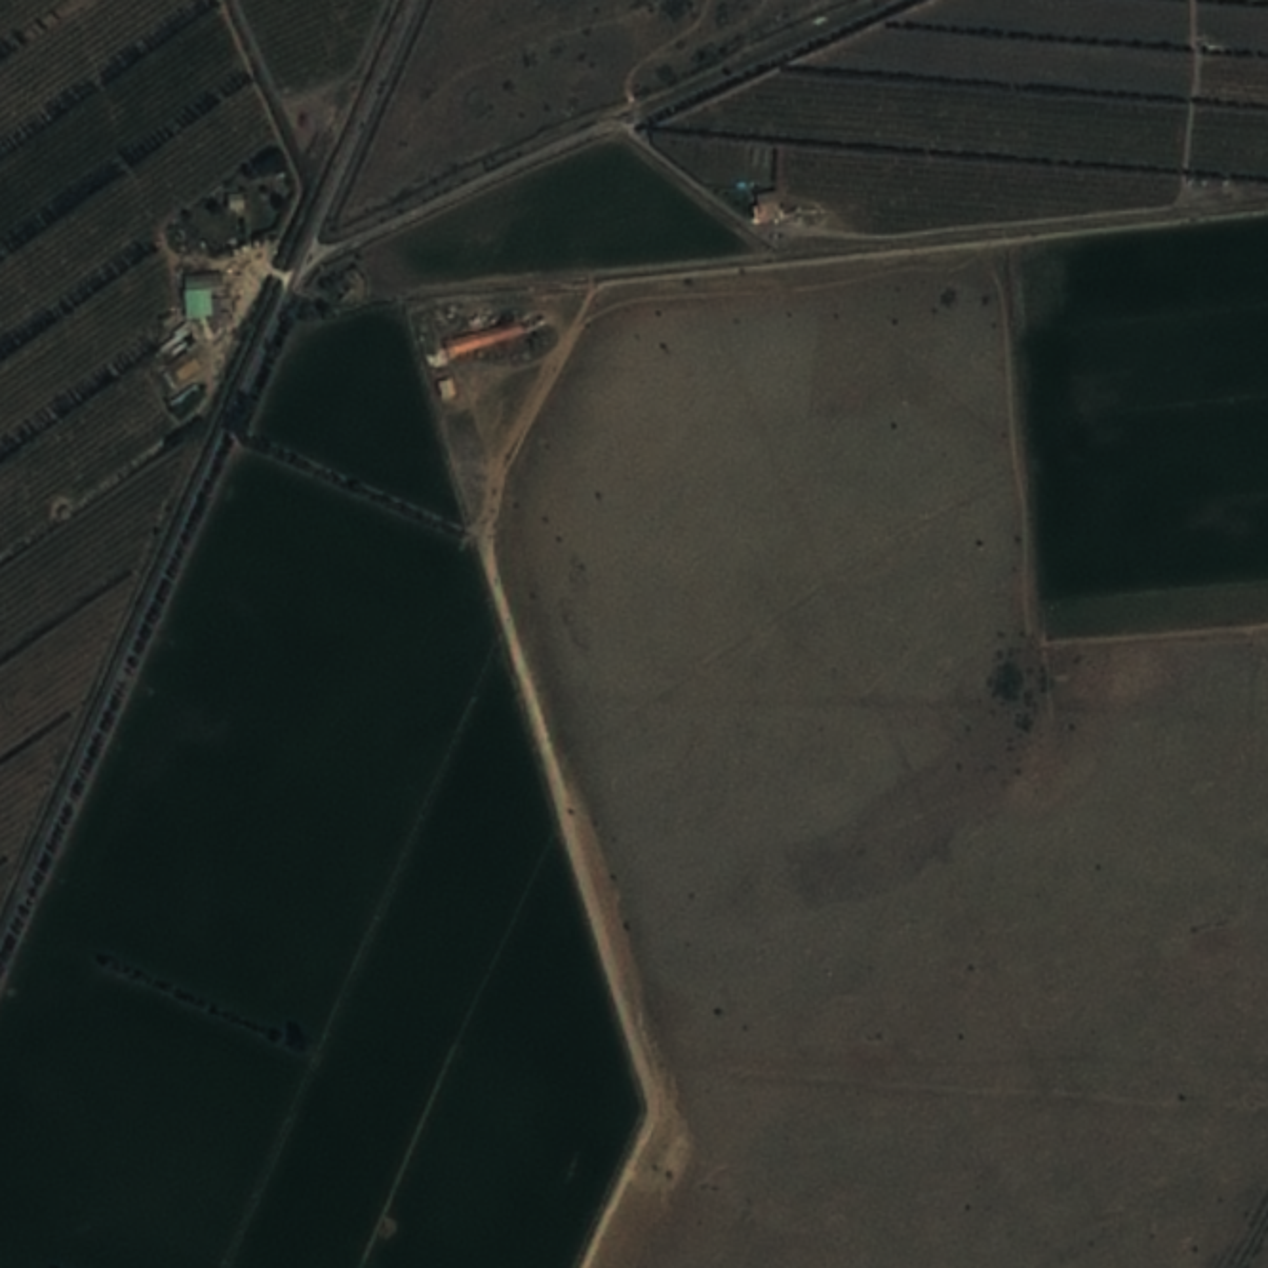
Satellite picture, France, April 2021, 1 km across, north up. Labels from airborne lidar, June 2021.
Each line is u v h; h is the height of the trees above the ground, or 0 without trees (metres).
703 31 0
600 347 0
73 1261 0
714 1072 0
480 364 0
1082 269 0
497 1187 0
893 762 0
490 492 0
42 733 8
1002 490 0
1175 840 0
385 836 0
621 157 0
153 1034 0
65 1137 0
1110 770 0
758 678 0
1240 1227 0
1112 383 0
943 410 0
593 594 0
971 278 0
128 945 0
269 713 0
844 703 0
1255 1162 0
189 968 0
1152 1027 0
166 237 0
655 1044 0
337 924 0
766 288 0
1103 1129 0
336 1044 0
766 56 0
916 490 0
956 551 0
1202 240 0
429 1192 0
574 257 0
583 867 0
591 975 0
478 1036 0
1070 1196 0
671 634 0
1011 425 0
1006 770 0
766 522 0
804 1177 0
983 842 0
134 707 0
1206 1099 0
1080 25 0
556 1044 0
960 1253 0
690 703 0
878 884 0
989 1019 0
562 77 0
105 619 0
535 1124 0
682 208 0
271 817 0
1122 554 0
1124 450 0
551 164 0
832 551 0
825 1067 0
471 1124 0
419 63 0
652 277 0
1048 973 0
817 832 0
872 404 0
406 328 0
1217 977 0
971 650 0
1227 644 0
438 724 0
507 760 0
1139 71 0
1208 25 0
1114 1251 0
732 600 0
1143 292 0
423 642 0
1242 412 0
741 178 0
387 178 0
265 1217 0
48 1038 0
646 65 0
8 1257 0
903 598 0
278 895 0
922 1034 0
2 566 10
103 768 0
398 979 0
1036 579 0
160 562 0
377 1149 0
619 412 0
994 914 0
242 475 0
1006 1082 0
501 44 0
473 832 0
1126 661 0
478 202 0
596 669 0
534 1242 0
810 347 0
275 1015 0
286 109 0
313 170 0
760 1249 0
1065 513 0
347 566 0
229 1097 0
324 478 10
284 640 0
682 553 0
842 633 0
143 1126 0
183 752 0
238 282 0
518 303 0
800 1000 0
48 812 0
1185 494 0
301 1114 0
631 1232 0
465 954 0
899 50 0
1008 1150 0
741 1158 0
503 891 0
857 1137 0
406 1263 0
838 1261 0
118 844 0
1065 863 0
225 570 0
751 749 0
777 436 0
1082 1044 0
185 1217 0
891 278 0
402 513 9
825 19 0
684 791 0
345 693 0
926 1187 0
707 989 0
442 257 0
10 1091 0
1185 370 0
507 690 0
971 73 0
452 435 0
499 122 0
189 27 18
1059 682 0
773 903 0
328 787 0
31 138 18
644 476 0
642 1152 0
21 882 0
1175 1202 0
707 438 0
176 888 0
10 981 0
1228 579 0
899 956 0
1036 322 0
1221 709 0
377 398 0
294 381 0
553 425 0
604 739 0
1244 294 0
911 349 0
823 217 0
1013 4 0
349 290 10
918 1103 0
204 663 0
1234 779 0
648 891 0
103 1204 0
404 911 0
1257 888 0
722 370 0
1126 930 0
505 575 0
